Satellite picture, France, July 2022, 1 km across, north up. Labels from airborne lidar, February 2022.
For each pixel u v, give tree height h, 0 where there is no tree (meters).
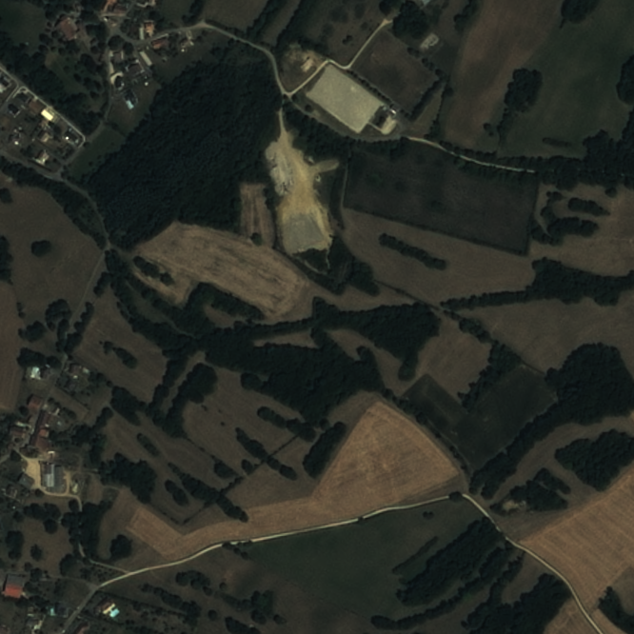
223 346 19
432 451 0
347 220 0
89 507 16
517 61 0
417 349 17
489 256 0
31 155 6
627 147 21
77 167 0
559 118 0
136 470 20
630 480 0
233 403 0
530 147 0
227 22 0
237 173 7
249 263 0
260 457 16
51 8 11
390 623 13
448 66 0
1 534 0
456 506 0
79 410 0
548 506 13
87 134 7
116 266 11
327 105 0
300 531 0
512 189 0
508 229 0
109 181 12
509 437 0
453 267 0
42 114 0
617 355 16
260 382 19
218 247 0
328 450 12
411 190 0
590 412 16
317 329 13
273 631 0
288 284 0
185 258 0
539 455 0
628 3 0
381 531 0
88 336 0
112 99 0
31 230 0
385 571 0
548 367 0
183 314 13
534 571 0
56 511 12
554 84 0
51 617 0
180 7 0
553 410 16
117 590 0
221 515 0
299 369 18
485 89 0
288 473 15
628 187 15
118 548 16
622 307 0
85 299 0
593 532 0
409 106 0
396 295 0
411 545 0
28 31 0
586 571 0
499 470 13
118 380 0
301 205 0
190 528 0
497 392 0
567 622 0
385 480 0
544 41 0
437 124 11
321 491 0
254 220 0
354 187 0
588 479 13
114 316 0
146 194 22
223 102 17
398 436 0
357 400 0
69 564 12
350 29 0
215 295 20
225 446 0
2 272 15
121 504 0
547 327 0
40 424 0
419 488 0
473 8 8
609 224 0
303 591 0
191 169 18
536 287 11
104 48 15
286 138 0
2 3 0
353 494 0
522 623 18
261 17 7
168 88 13
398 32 16
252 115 13
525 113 11
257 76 15
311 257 8
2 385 0
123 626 7
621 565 0
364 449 0
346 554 0
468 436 0
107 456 0
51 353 0
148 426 0
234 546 7
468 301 7
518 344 0
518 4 0
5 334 0
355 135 0
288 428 13
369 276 13
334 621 0
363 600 0
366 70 0
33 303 0
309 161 0
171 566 0
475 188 0
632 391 23
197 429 0
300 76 0
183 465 0
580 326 0
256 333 18
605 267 0
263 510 0
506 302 12
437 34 0
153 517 0
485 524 9
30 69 15
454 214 0
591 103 0
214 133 22
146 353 0
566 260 0
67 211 11
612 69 0
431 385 0
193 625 8
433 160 0
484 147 0
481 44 0
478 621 18
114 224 18
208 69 9
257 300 0
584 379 17
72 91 0
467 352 0
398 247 10
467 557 13
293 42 0
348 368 17
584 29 0
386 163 0
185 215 15
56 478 0
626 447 11
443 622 0
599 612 0
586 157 12
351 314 11
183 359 17
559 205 0
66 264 0
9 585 0
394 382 0
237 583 0
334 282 8
